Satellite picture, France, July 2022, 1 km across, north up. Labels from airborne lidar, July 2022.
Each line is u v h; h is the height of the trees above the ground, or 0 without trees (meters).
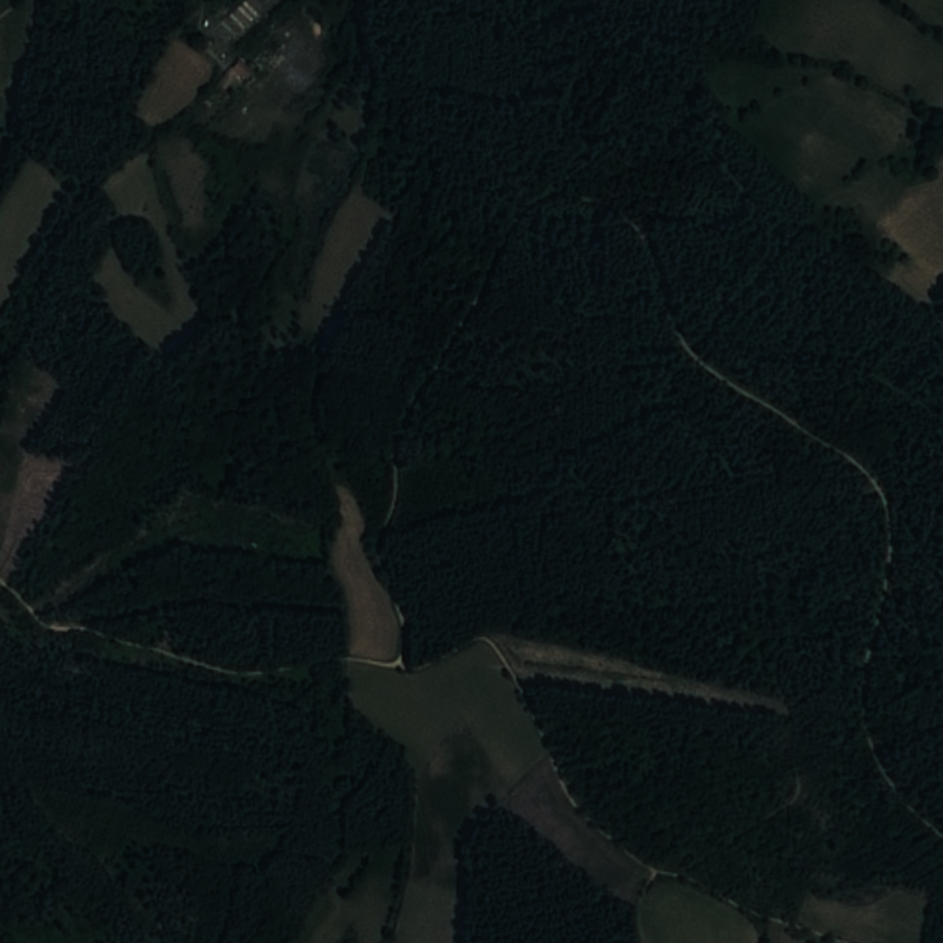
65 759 12
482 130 33
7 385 18
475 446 20
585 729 10
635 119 19
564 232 29
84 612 17
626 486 29
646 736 10
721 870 6
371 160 10
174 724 21
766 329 37
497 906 27
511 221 11
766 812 9
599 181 11
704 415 21
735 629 20
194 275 18
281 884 21
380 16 30
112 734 17
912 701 21
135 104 12
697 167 16
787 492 15
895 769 39
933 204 0
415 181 25
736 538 16
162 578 30
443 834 0
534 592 32
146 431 20
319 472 22
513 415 14
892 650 32
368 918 0
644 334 34
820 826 8
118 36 16
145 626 22
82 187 11
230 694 35
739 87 0
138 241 23
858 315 36
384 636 0
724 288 35
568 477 26
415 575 23
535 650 0
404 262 7
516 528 32
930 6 0
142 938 23
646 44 31
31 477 0
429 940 0
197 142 9
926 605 28
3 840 29
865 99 0
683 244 39
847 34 0
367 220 0
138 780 16
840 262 35
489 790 0
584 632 26
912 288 0
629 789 17
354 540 0
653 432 27
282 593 20
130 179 0
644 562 22
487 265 11
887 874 16
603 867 0
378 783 31
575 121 16
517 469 23
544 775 0
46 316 23
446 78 14
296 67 0
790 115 0
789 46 0
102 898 21
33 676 13
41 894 8
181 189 0
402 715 0
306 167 0
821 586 33
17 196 0
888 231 0
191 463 21
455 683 0
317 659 25
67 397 19
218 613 25
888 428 11
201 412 18
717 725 20
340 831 20
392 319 23
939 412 21
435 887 0
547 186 13
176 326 0
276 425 13
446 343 12
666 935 0
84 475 18
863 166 12
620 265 32
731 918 0
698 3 36
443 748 0
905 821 12
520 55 22
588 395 18
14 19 0
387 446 23
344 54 6
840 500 18
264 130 0
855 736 20
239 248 18
